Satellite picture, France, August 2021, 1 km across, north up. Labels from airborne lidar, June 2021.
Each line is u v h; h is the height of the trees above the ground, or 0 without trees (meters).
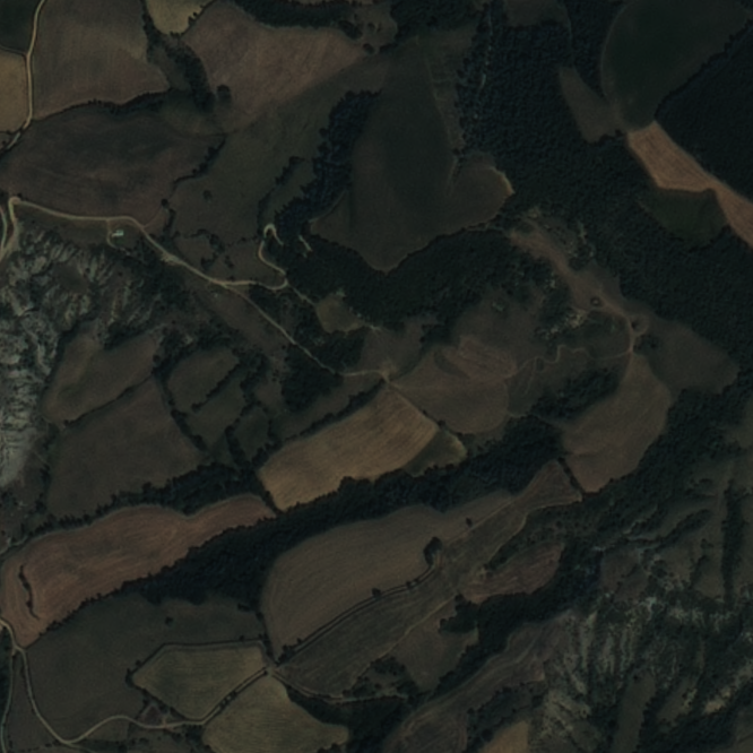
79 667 0
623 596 0
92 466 0
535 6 0
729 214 0
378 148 0
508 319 0
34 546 0
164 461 0
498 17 11
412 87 0
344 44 0
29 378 6
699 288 9
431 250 10
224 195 0
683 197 0
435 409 0
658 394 0
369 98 12
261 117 0
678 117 12
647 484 12
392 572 0
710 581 0
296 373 9
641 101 0
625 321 0
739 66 13
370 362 0
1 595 0
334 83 0
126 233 0
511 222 9
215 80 0
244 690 0
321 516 15
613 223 7
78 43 0
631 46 0
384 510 12
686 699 7
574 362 0
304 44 0
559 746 0
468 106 12
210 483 12
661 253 11
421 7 15
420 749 0
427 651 0
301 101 0
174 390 0
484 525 0
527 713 0
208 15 0
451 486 11
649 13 0
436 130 0
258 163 0
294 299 10
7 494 10
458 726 0
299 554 0
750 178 13
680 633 11
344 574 0
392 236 0
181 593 13
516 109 12
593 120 0
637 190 9
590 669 7
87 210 0
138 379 0
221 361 0
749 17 0
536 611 10
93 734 0
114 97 0
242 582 8
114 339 6
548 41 8
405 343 0
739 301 12
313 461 0
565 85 0
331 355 9
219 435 0
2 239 0
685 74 0
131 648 0
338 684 0
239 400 0
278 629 0
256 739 0
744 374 12
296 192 0
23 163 0
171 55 10
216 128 0
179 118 0
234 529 7
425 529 0
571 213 7
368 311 10
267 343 0
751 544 0
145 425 0
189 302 7
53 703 0
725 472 0
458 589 0
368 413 0
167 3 0
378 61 0
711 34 0
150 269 10
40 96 0
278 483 0
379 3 8
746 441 0
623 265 8
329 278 9
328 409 0
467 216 0
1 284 0
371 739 13
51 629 6
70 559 0
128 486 0
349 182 10
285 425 0
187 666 0
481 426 0
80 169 0
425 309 11
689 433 11
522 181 10
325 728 0
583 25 5
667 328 0
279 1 11
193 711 0
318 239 12
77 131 0
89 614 0
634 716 0
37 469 0
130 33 0
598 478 0
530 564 0
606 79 0
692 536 0
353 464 0
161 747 0
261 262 0
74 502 0
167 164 0
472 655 16
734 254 12
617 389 0
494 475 16
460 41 0
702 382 0
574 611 0
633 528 7
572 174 12
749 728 0
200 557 16
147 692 8
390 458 0
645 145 0
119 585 0
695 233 0
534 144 8
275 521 11
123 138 0
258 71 0
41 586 0
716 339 16
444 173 0
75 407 0
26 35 0
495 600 8
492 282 11
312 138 0
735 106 14
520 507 0
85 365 0
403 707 14
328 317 0
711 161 11
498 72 10
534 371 0
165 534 0
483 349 0
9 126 0
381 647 0
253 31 0
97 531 0
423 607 0
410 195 0
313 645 0
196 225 0
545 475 0
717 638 5
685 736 9
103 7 0
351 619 0
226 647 0
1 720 0
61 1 0
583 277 0
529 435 16
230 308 0
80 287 0
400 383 0
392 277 10
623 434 0
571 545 9
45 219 0
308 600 0
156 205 0
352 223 0
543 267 10
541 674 0
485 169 0
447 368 0
